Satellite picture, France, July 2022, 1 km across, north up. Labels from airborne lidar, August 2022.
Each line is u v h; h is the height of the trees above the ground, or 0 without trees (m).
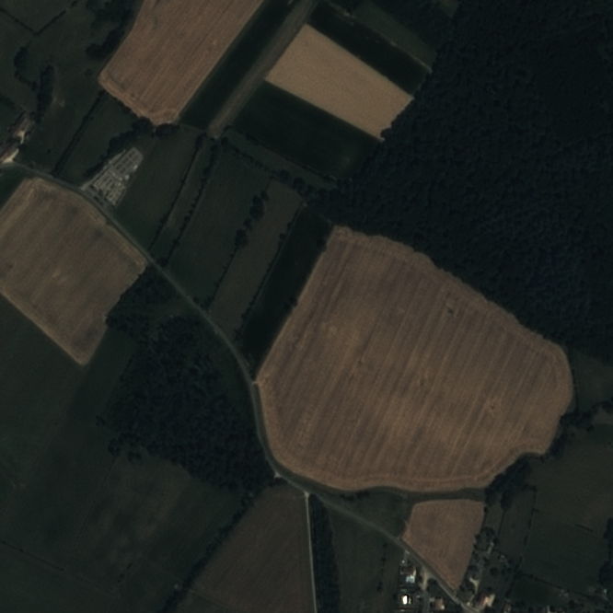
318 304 0
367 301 0
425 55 0
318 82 0
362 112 0
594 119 9
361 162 0
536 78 9
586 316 24
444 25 16
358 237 0
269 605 0
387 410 0
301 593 0
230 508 0
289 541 0
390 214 22
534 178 23
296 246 0
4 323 0
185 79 0
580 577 0
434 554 0
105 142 0
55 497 0
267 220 0
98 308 0
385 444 0
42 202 0
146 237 0
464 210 20
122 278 0
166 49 0
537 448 0
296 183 14
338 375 0
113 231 0
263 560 0
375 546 0
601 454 0
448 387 0
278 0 0
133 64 0
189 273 0
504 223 28
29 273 0
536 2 26
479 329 0
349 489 0
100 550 0
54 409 0
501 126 24
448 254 21
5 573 0
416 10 13
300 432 0
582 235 12
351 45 0
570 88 9
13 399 0
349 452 0
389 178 25
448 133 23
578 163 27
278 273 0
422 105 17
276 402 0
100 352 0
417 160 29
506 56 27
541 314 23
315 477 0
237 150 13
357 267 0
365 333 0
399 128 20
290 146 0
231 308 0
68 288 0
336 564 13
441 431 0
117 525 0
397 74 0
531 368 0
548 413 0
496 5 22
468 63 27
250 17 0
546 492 0
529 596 0
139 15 0
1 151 0
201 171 0
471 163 21
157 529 0
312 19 0
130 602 0
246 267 0
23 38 0
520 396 0
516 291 25
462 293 0
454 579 0
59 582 0
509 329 0
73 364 0
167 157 0
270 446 0
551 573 0
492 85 8
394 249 0
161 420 9
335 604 18
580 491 0
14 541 0
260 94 0
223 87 0
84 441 0
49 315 0
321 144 0
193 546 0
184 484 0
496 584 0
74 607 0
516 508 0
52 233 0
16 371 0
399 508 0
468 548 0
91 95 0
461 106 28
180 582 0
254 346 0
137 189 0
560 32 21
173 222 0
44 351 0
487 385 0
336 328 0
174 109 0
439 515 0
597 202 25
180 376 14
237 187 0
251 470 24
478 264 20
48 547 0
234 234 0
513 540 0
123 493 0
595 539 0
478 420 0
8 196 0
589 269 22
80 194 0
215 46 0
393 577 0
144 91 0
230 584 0
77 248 0
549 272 24
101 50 7
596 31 9
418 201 27
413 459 0
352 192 14
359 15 0
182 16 0
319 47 0
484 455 0
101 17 6
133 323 23
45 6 0
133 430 18
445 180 26
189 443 7
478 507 0
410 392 0
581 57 11
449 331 0
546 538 0
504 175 24
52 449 0
